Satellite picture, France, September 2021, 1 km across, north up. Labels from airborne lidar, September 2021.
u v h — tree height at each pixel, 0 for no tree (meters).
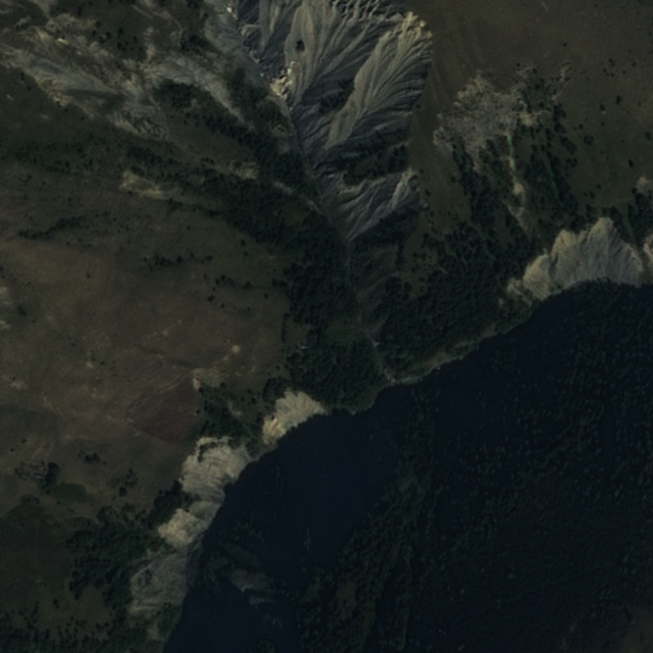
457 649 9
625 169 0
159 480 0
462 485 12
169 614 6
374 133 0
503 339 7
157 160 8
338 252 11
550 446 6
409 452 8
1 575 0
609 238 0
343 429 0
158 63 0
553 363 14
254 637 0
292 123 0
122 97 0
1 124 0
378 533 11
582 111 0
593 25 0
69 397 0
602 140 0
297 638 11
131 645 11
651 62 0
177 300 0
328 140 0
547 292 0
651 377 23
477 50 0
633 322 23
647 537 0
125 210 0
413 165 0
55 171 8
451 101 0
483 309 14
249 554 0
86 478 0
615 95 0
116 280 0
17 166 0
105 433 0
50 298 0
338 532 0
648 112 0
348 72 0
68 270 0
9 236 0
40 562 0
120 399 0
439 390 10
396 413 9
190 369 0
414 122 0
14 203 0
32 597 0
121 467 0
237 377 0
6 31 0
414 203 0
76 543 11
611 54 0
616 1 0
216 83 0
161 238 0
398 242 17
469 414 18
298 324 11
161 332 0
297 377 13
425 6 0
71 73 0
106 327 0
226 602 0
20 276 0
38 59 0
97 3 0
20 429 0
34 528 0
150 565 0
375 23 0
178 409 0
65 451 0
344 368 8
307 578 6
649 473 7
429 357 11
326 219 10
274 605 0
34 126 0
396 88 0
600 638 0
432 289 12
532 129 11
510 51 0
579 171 0
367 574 7
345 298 19
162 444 0
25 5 0
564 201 24
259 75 0
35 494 0
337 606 8
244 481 0
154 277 0
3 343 0
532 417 6
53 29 0
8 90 0
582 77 0
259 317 0
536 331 13
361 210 0
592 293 13
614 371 20
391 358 14
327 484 0
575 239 0
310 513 0
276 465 10
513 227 15
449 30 0
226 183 7
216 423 8
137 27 0
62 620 0
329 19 0
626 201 0
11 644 19
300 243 12
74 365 0
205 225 0
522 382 9
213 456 0
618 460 23
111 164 0
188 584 0
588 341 11
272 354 0
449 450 15
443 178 0
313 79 0
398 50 0
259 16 0
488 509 10
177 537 0
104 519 7
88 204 0
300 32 0
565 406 21
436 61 0
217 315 0
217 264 0
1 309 0
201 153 0
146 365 0
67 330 0
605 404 11
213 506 0
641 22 0
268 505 7
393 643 10
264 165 14
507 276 23
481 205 20
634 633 0
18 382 0
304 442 0
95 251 0
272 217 10
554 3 0
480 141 0
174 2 0
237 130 12
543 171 15
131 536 9
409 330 18
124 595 11
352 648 8
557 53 0
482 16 0
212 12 0
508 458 21
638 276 0
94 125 0
